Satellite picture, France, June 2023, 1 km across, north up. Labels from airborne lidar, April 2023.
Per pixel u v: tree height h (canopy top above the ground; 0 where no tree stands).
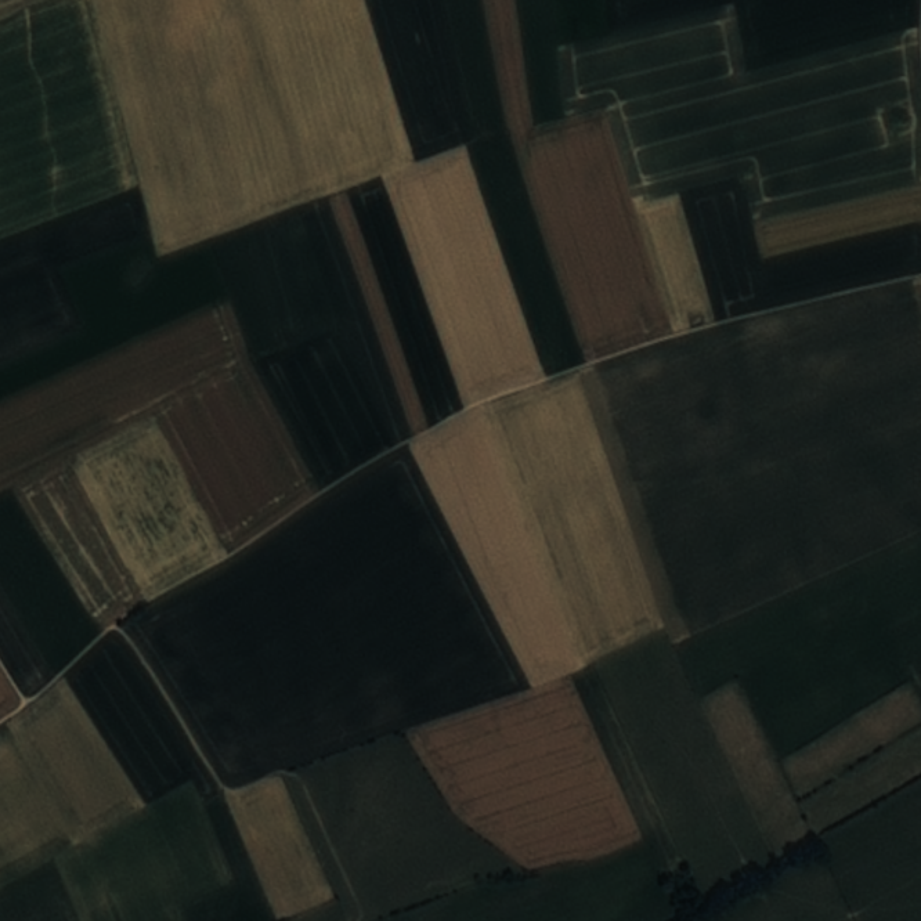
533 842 0
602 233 0
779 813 0
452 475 0
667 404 0
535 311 0
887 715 0
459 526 0
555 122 0
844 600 0
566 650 0
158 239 0
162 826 0
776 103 0
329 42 0
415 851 0
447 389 0
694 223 0
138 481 0
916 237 0
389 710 0
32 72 0
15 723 0
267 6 0
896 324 0
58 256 0
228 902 0
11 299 0
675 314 0
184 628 0
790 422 0
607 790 0
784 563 0
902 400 0
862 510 0
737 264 0
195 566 0
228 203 0
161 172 0
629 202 0
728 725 0
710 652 0
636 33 0
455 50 0
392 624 0
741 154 0
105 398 0
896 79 0
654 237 0
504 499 0
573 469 0
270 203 0
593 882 0
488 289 0
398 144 0
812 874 0
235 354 0
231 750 0
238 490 0
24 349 0
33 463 0
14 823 0
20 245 0
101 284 0
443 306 0
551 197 0
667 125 0
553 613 0
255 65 0
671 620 0
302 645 0
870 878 0
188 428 0
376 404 0
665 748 0
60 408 0
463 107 0
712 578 0
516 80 0
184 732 0
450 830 0
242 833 0
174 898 0
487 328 0
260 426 0
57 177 0
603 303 0
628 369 0
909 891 0
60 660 0
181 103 0
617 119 0
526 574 0
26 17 0
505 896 0
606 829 0
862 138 0
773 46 0
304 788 0
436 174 0
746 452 0
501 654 0
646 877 0
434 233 0
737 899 14
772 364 0
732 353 0
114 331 0
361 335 0
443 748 0
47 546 0
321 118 0
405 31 0
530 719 0
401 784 0
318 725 0
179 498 0
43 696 0
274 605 0
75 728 0
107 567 0
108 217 0
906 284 0
